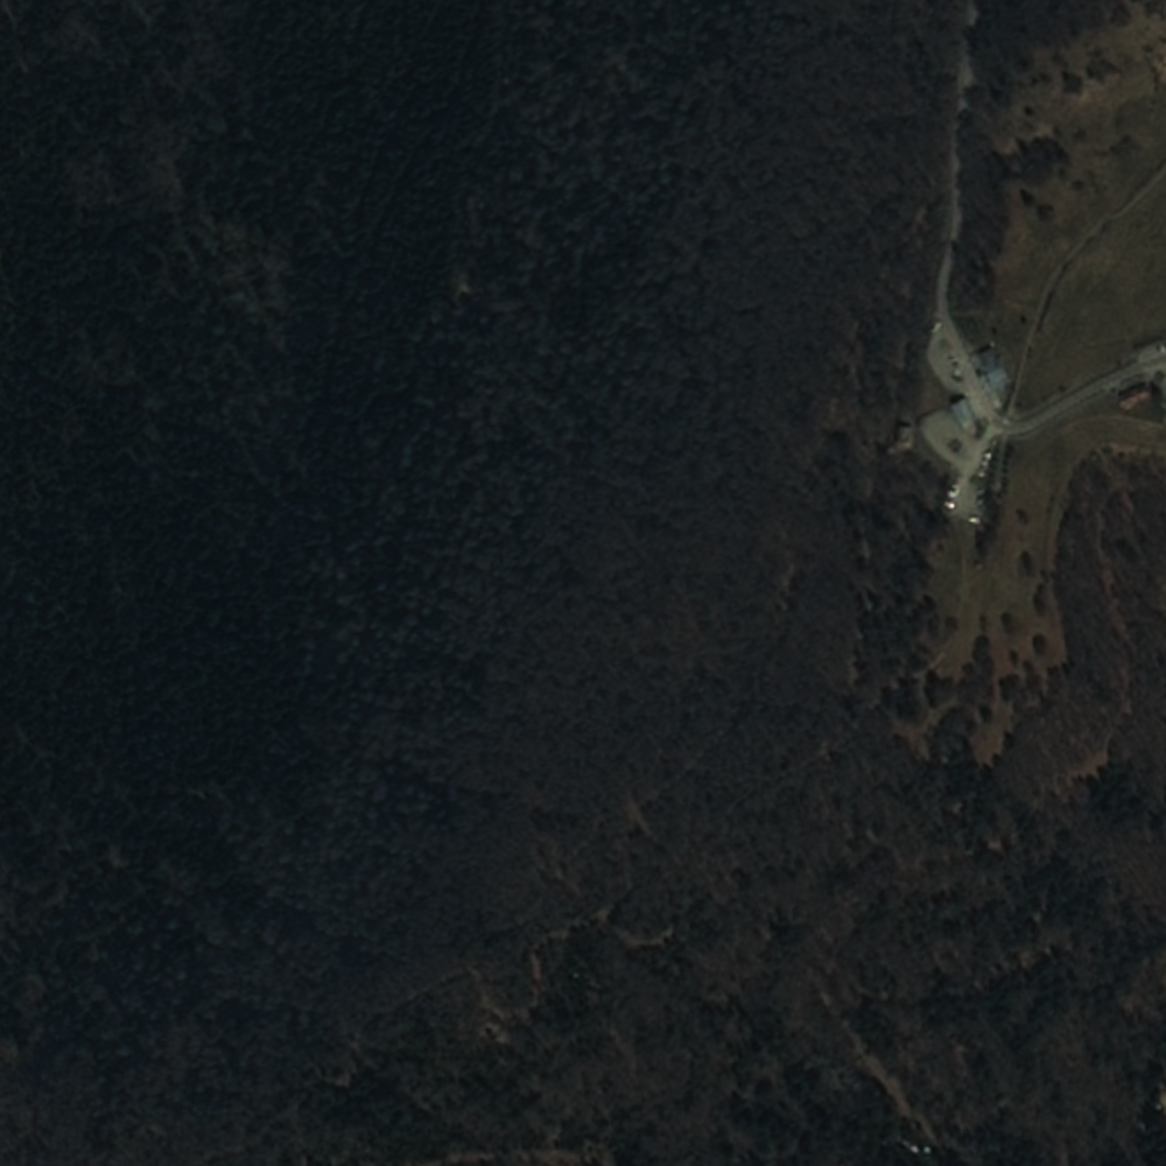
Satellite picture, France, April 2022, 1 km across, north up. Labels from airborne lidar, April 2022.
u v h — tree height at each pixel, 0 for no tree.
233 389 12
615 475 28
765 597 19
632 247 15
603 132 31
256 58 21
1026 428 0
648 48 15
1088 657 16
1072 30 12
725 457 19
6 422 24
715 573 16
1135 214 0
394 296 21
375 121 22
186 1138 21
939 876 18
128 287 22
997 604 0
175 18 21
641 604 18
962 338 0
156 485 21
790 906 20
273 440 15
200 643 28
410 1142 5
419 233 22
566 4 18
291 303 12
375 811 29
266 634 24
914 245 16
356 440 27
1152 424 0
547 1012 8
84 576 27
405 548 24
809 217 24
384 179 23
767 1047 18
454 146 24
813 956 20
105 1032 20
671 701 23
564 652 25
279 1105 9
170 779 29
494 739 25
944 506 7
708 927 6
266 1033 18
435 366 28
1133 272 0
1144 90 0
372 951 16
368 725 28
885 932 17
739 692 15
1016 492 0
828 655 20
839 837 14
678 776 15
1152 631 20
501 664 26
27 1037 26
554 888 20
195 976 23
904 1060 18
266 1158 14
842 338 19
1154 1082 20
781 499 17
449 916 20
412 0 16
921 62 19
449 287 19
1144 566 21
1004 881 19
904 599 12
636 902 17
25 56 19
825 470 18
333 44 23
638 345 21
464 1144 23
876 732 12
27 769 29
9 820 10
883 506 14
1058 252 0
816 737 13
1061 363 0
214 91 27
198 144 25
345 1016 20
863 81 23
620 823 18
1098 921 19
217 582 26
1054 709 15
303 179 22
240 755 22
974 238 12
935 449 0
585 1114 26
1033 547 0
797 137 23
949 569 0
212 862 24
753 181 25
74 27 27
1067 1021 23
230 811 31
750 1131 16
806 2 24
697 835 14
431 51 20
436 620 24
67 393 31
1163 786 20
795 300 21
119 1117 19
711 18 16
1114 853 25
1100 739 20
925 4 21
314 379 27
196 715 24
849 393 18
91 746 29
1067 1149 20
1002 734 0
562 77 23
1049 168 10
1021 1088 18
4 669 23
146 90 26
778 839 16
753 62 26
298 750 35
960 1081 27
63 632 23
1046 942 14
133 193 24
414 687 29
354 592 26
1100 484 20
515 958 13
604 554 24
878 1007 17
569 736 23
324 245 18
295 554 25
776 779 15
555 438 24
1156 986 22
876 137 22
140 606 16
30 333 20
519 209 27
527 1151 6
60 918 33
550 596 21
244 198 26
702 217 26
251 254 8
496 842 20
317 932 24
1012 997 20
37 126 30
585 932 10
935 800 16
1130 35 0
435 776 21
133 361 26
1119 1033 21
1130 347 0
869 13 22
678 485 19
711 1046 20
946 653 0
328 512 10
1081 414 0
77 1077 29
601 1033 6
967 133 13
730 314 24
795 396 16
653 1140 21
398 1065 23
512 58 21
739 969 16
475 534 28
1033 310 0
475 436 21
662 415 21
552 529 25
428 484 27
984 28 10
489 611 33
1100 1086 27
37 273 30
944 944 18
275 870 30
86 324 24
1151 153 0
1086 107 0
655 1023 12
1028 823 20
